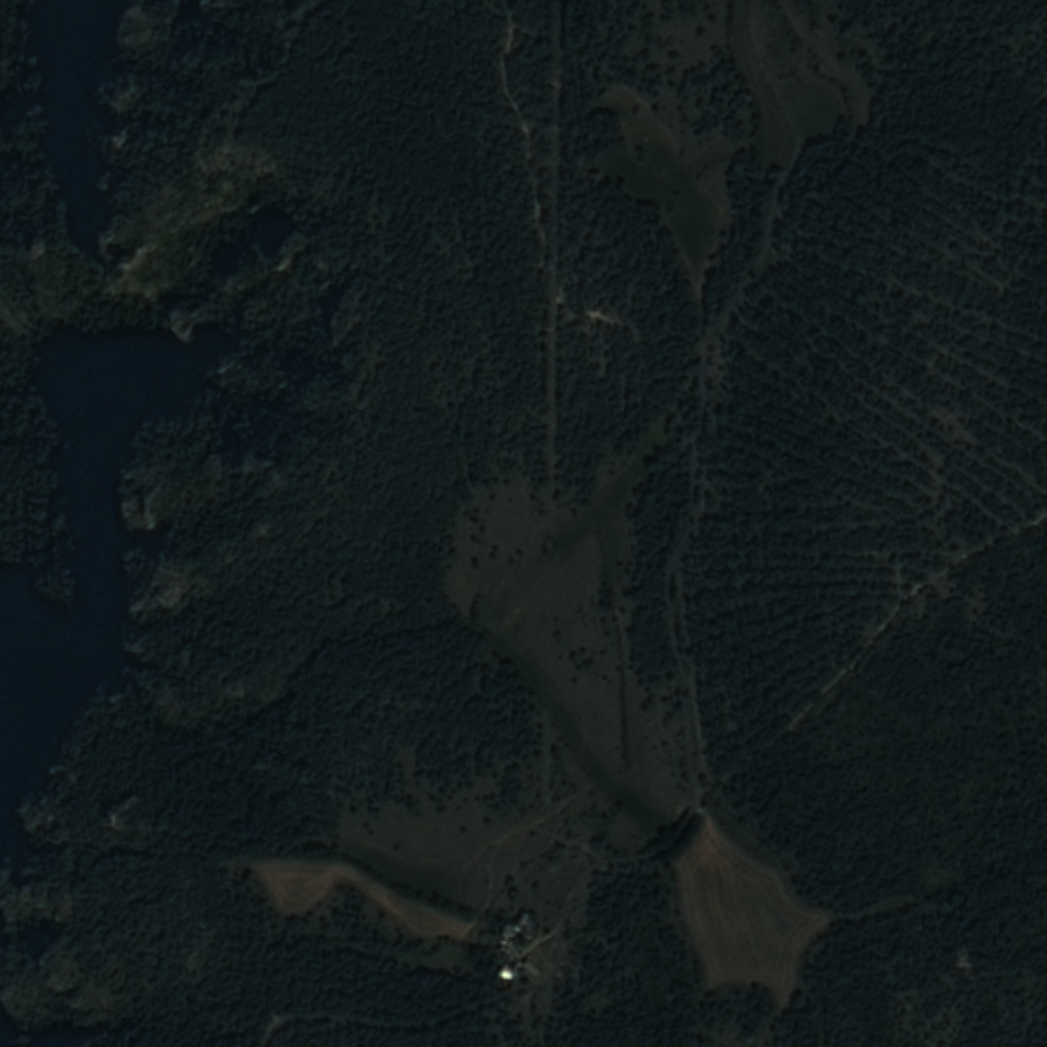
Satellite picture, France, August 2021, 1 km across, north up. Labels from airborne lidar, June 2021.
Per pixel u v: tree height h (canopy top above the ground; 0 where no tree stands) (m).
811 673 10
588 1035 11
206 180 7
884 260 9
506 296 9
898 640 8
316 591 9
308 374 13
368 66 9
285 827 15
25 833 8
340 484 7
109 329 12
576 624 0
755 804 8
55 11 7
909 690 6
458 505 10
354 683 8
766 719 12
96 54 13
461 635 12
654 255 11
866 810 9
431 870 0
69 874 8
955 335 7
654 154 0
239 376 12
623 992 8
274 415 12
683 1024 12
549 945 0
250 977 10
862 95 0
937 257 7
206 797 11
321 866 0
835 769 8
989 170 6
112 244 9
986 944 6
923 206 9
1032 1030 6
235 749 12
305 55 8
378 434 8
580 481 8
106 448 11
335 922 7
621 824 0
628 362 8
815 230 9
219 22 10
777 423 11
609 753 0
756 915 0
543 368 7
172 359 7
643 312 8
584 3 11
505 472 7
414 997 11
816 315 15
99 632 17
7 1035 57
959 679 7
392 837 0
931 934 7
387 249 8
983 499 8
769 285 11
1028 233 8
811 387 12
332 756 9
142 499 8
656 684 8
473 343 8
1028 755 9
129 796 13
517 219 7
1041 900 7
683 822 6
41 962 29
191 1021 13
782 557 13
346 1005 11
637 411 9
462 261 8
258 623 12
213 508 8
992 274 8
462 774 6
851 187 13
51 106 12
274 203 10
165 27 8
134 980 11
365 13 13
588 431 13
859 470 9
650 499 14
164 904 7
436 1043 12
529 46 7
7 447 18
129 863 13
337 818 10
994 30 10
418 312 9
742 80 7
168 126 11
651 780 0
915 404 8
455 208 8
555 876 0
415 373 9
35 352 9
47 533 11
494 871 0
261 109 9
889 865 7
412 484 8
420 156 10
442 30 9
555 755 8
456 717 8
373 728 10
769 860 0
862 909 8
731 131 10
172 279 12
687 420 10
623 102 0
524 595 0
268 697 6
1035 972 5
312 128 8
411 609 12
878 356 8
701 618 10
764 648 13
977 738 6
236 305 8
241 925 9
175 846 11
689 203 0
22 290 7
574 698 0
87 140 45
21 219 14
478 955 8
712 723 10
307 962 8
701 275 0
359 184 10
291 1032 8
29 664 20
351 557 8
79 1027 8
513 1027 7
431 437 9
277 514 7
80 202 7
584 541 0
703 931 0
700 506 8
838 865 6
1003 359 7
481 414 11
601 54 6
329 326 22
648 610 10
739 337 11
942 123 13
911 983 7
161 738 10
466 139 10
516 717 8
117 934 10
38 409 12
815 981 8
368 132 10
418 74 8
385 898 0
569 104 12
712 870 0
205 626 10
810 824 6
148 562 5
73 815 9
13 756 9
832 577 8
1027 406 7
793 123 0
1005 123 8
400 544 9
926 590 6
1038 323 8
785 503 12
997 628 7
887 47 8
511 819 0
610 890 7
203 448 9
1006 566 6
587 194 10
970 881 14
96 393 18
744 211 10
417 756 6
